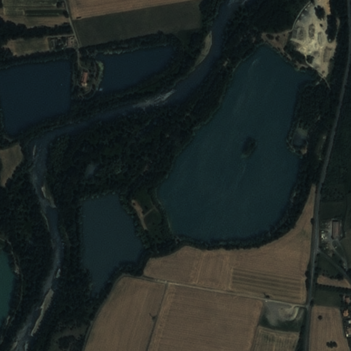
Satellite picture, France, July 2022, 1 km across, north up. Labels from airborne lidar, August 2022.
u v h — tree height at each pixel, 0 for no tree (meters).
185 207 0
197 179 0
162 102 0
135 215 10
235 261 0
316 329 0
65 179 22
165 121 28
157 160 23
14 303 24
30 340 0
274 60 0
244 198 0
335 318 0
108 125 15
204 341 0
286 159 0
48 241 27
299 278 0
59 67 0
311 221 11
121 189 24
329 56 0
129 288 0
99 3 0
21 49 0
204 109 29
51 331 14
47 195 0
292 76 0
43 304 0
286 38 0
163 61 0
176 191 0
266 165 0
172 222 0
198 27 0
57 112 0
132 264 19
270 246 0
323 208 0
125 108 0
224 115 0
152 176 28
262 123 0
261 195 0
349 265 0
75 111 15
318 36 0
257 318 0
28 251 20
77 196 27
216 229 0
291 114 0
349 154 6
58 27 12
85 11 0
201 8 21
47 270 30
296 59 9
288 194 0
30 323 0
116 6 0
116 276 8
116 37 0
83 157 23
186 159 0
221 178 0
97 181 18
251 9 30
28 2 0
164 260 0
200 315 0
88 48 13
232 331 0
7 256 0
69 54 26
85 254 0
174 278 0
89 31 0
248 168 0
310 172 12
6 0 0
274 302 0
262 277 0
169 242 17
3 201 34
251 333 0
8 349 13
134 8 0
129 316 0
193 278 0
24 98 0
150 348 0
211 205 0
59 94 0
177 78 21
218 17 0
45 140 0
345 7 14
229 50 10
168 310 0
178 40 24
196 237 0
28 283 24
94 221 0
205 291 0
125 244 0
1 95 0
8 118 0
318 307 0
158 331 0
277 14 13
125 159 13
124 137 27
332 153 8
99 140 8
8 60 20
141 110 18
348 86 7
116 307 0
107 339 0
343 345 0
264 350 0
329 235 0
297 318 0
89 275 17
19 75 0
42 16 0
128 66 0
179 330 0
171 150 28
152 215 0
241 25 17
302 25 0
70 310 24
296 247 0
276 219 0
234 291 0
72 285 24
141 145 14
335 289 7
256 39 20
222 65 7
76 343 8
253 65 0
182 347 0
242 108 0
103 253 0
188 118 16
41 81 0
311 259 0
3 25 35
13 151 0
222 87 30
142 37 9
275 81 0
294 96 0
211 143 0
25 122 0
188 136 34
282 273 0
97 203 0
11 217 27
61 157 15
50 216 0
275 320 0
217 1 13
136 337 0
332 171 9
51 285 0
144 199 0
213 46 0
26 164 18
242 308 0
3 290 0
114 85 0
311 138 8
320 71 0
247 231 0
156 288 0
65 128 0
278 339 0
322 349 0
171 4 0
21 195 24
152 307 0
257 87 0
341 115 13
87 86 0
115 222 0
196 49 9
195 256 0
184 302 0
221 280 0
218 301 0
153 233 0
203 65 0
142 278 0
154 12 0
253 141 20
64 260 19
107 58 0
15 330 25
